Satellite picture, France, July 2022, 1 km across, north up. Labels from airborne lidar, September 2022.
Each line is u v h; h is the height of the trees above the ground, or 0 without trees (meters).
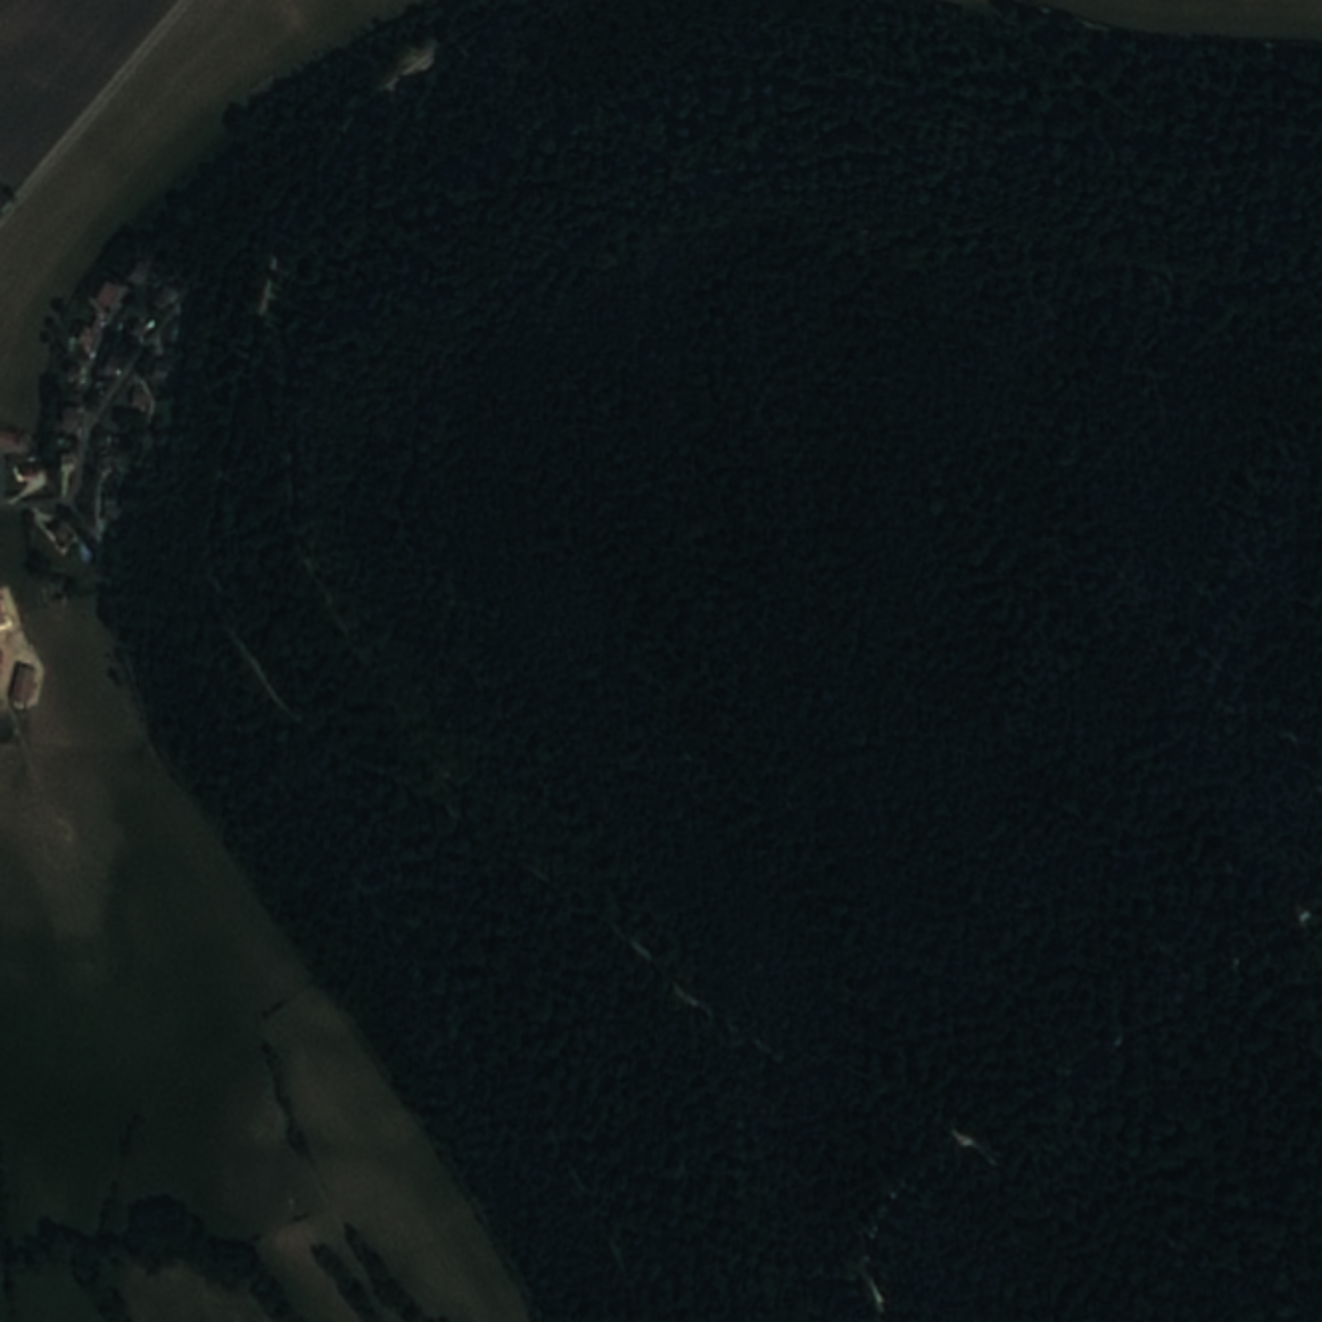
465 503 17
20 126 0
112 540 16
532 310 17
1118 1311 22
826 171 31
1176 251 23
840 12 7
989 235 20
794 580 15
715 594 13
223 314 10
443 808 21
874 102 24
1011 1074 15
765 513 13
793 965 22
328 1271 13
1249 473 9
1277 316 17
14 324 0
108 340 11
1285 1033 26
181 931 0
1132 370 23
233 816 15
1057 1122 23
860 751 17
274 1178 0
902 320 14
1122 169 22
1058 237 19
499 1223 14
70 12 0
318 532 16
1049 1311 24
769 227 19
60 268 0
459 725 13
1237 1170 23
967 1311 27
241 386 9
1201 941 22
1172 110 24
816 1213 15
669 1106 15
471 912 19
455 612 20
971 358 13
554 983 24
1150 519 25
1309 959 7
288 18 0
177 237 14
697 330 15
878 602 18
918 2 9
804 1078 17
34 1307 0
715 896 16
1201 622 18
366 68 16
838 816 19
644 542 15
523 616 19
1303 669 24
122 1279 0
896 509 14
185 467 15
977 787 18
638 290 19
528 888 13
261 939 0
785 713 19
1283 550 25
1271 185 27
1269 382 10
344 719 20
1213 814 28
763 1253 16
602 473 17
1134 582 27
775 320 21
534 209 24
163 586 19
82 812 0
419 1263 0
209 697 16
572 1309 15
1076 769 22
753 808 20
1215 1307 20
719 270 16
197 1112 0
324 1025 0
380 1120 0
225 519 21
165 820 0
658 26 9
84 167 0
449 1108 20
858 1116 19
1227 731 23
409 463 9
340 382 23
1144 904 25
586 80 14
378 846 15
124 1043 0
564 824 15
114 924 0
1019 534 17
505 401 19
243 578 23
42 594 0
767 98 24
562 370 15
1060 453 24
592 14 20
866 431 19
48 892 0
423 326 19
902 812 21
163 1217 24
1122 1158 23
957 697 17
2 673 0
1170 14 0
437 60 12
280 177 16
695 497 9
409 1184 0
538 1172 22
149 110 0
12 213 0
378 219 27
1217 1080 20
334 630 18
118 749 0
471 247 23
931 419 14
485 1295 0
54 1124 0
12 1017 0
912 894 16
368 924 17
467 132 11
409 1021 17
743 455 10
